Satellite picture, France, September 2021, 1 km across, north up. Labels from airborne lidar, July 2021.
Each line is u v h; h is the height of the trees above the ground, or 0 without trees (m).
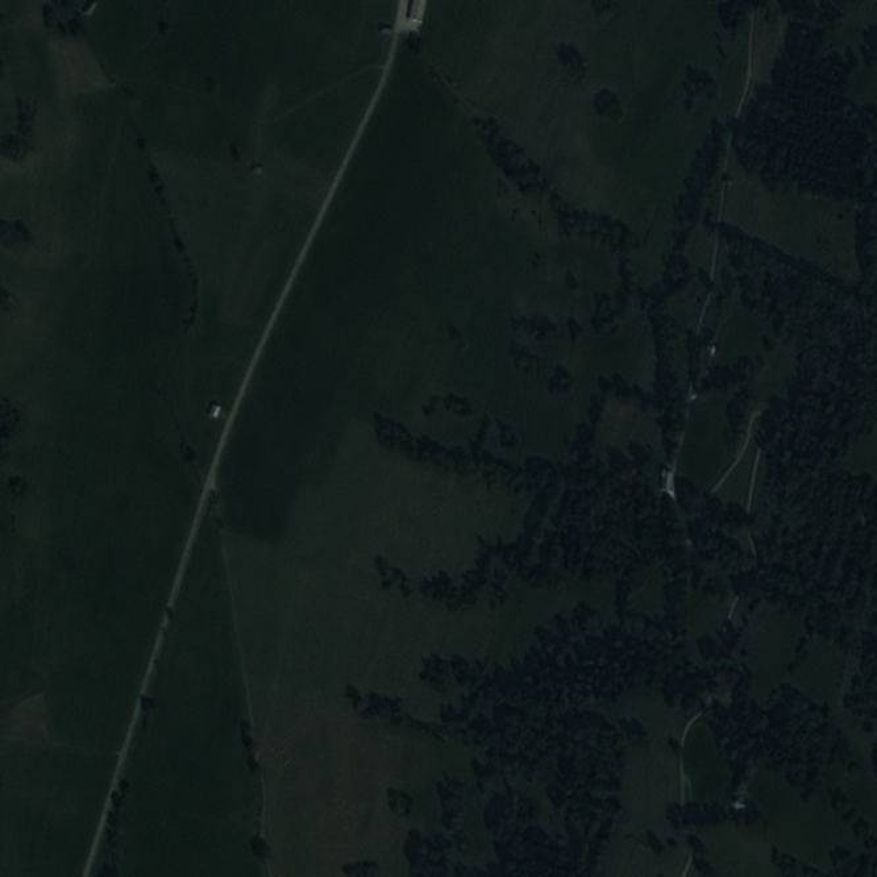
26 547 0
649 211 0
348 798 0
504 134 11
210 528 0
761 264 20
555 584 14
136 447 0
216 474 0
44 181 0
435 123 0
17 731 0
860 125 17
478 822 0
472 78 0
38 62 0
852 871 10
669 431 18
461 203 0
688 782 0
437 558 0
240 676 0
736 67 0
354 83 0
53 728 0
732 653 18
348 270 0
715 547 26
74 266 0
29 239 23
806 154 17
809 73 20
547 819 0
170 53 0
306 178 0
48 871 0
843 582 7
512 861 22
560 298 0
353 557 0
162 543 0
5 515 0
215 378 0
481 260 0
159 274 0
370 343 0
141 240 0
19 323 0
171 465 0
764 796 0
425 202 0
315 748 0
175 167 0
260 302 0
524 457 0
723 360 0
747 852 0
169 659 0
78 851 0
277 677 0
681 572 22
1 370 0
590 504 19
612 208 0
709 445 0
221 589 0
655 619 0
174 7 0
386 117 0
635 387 0
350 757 0
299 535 0
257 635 0
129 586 0
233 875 0
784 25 0
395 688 0
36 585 0
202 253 0
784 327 21
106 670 0
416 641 0
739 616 0
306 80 0
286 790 0
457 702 0
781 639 0
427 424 0
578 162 0
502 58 0
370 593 0
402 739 0
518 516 0
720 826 20
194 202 0
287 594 0
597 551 17
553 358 0
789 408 7
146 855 0
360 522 0
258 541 0
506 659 0
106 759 0
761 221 0
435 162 0
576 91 0
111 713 0
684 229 12
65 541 0
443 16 0
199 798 0
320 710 0
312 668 0
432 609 0
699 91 16
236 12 0
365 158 0
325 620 0
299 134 0
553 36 0
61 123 0
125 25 0
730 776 0
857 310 20
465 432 0
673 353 17
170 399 0
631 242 16
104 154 0
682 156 0
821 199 18
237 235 0
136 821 0
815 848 0
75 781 0
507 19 0
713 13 0
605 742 23
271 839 0
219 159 0
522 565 22
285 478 0
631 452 0
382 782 0
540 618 0
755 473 0
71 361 0
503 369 0
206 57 0
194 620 0
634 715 0
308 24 0
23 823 0
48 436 0
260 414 0
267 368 0
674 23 0
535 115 0
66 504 0
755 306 18
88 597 0
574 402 0
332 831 0
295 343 0
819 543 6
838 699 0
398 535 0
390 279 0
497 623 0
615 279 0
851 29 0
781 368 0
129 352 0
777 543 16
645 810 0
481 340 0
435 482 0
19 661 0
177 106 0
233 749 0
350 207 0
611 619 0
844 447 10
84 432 0
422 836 12
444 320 0
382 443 9
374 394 0
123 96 0
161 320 0
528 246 0
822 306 9
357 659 0
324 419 0
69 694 0
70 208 0
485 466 17
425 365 0
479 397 0
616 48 0
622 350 0
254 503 0
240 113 0
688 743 0
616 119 16
